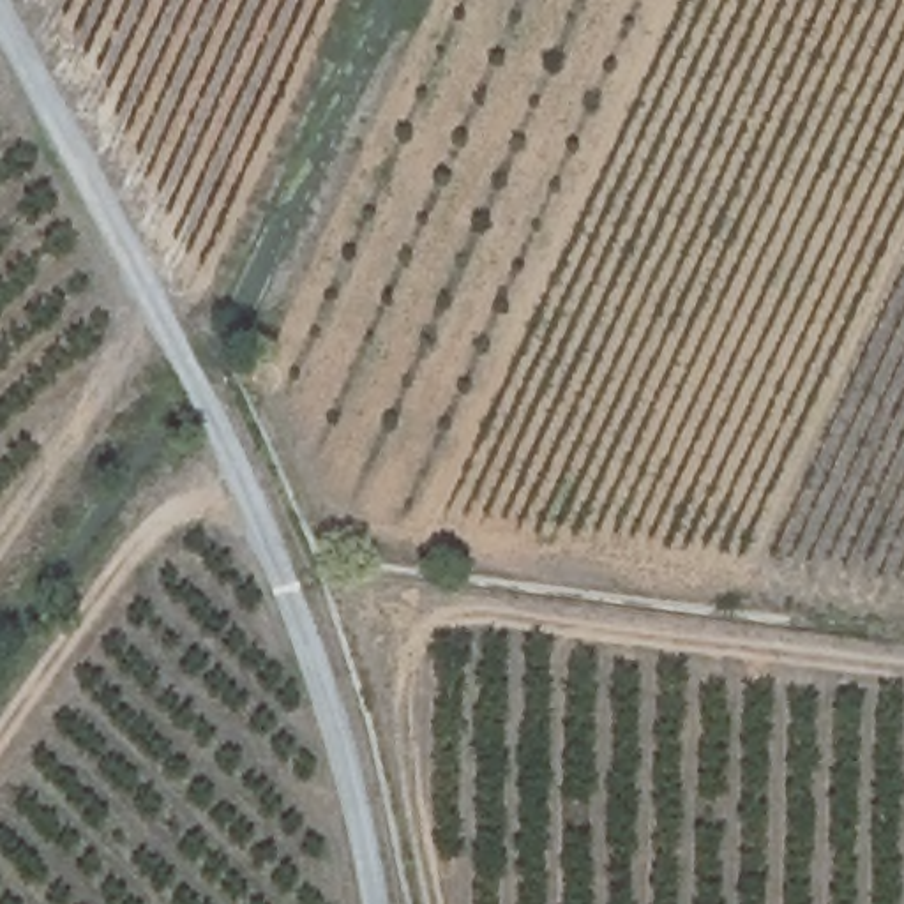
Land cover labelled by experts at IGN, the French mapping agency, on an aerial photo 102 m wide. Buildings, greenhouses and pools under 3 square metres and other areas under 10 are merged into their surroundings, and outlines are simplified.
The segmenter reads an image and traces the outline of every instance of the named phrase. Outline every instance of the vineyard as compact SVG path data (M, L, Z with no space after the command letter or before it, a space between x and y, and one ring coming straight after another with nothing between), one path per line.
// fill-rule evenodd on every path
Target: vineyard
M219 544L233 551L237 569L258 579L261 569L247 547L247 526L237 501L222 505L205 526Z
M247 215L251 194L268 159L275 155L275 141L290 124L300 88L307 85L311 64L332 25L339 0L11 0L14 14L28 32L32 49L46 64L49 85L67 102L71 124L81 131L92 159L99 162L134 240L152 258L152 275L180 321L191 304L212 297L215 272L230 254L230 244Z
M646 0L643 18L636 21L625 53L618 57L611 88L600 95L600 109L593 113L590 131L579 138L572 173L561 180L561 194L554 198L551 219L544 222L547 240L533 247L533 254L526 258L519 286L509 297L509 314L501 318L498 335L484 353L484 367L473 378L473 388L448 431L445 456L434 466L420 505L410 519L403 519L388 540L420 544L420 565L438 551L452 551L456 558L473 554L470 579L459 593L473 600L509 600L523 607L572 607L586 618L643 618L689 629L727 625L731 632L745 636L830 636L883 650L904 646L904 614L876 614L869 607L876 604L876 593L890 593L893 579L904 579L904 0Z
M208 445L194 463L184 466L184 473L187 487L208 484L219 487L219 494L233 491Z

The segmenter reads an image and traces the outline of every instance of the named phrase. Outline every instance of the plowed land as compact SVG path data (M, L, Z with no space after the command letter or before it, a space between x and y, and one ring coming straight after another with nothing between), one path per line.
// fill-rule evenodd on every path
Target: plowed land
M212 332L212 297L191 304L180 321L191 346Z
M286 371L314 321L318 300L332 283L335 265L343 261L350 226L371 194L374 170L385 159L385 145L396 138L396 124L406 117L417 95L438 32L452 18L456 0L403 0L392 18L392 28L399 35L388 42L367 92L350 113L335 155L325 170L325 184L314 194L311 219L297 233L293 251L275 265L258 307L268 311L279 304L279 297L293 300L279 328L275 353L268 360L258 360L254 371L212 371L208 378L215 396L226 403L233 427L240 431L240 445L247 448L247 459L279 523L286 512L297 512L297 519L311 519L314 526L328 516L353 516L364 519L371 533L388 540L403 519L392 509L403 501L413 470L424 459L424 448L431 445L434 420L441 417L456 388L456 378L466 367L473 335L484 328L491 300L519 251L530 215L537 212L540 194L547 191L547 177L554 173L558 155L565 152L565 138L576 127L576 117L583 113L583 95L604 71L611 39L618 35L622 14L632 0L590 0L561 71L551 78L547 95L537 106L537 124L526 131L526 148L519 152L519 162L512 166L509 184L491 212L491 230L480 237L477 254L466 265L463 286L441 318L438 343L410 388L396 431L388 434L378 473L371 477L360 470L367 445L381 424L381 413L396 399L396 385L420 339L420 328L427 325L448 265L463 247L473 208L480 208L484 201L491 173L498 170L509 148L509 138L533 92L533 81L544 71L544 53L558 42L558 28L572 0L530 0L519 21L519 42L498 67L494 85L487 88L487 102L470 127L459 162L452 166L452 180L445 184L438 208L424 226L420 244L413 247L413 261L378 332L378 357L371 360L364 385L353 392L350 406L343 410L343 420L328 424L325 413L335 403L346 367L360 346L381 286L392 272L392 261L399 258L406 233L417 222L424 194L434 180L434 166L445 159L452 145L452 131L459 127L463 106L473 99L498 28L505 25L509 7L516 0L473 0L466 7L456 46L445 57L445 78L427 106L427 117L413 127L413 138L403 145L392 187L378 205L367 240L357 247L353 275L343 286L332 321L297 381Z
M350 71L353 53L364 42L378 0L339 0L332 25L311 64L307 85L300 88L290 124L275 141L275 155L268 159L251 194L247 215L230 244L230 254L215 272L212 297L237 297L268 233L258 205L272 201L283 208L290 201L286 191L297 180L297 166L311 159L311 148L318 145L321 124L339 99L339 78Z

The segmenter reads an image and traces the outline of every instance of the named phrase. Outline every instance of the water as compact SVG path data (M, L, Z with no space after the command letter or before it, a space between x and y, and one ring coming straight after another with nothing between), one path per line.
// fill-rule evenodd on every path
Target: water
M272 201L258 205L268 233L237 297L240 304L258 307L275 265L293 251L297 233L311 219L314 194L325 184L325 170L335 155L350 113L367 92L388 42L399 35L392 28L392 18L403 0L378 0L364 42L353 53L350 71L339 78L339 99L321 124L318 145L311 148L311 159L297 166L297 180L286 191L290 201L283 208Z

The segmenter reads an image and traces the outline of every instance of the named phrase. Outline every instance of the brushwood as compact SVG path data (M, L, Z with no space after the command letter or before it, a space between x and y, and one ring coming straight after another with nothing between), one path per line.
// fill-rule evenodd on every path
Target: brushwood
M28 554L7 554L7 561L0 565L0 629L28 636L28 629L39 622L39 611L32 604L39 583L60 583L78 576L85 586L99 576L117 544L141 526L141 519L152 509L159 509L166 498L187 487L184 473L162 466L159 477L145 484L127 505L99 505L92 498L92 487L78 477L85 456L60 470L49 501L28 523Z

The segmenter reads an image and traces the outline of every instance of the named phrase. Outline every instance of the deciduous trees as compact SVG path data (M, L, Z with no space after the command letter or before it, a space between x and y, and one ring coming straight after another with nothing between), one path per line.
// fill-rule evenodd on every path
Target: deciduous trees
M420 544L388 540L371 533L364 519L353 516L328 516L314 526L311 519L297 519L297 512L286 512L279 523L304 600L321 590L318 569L325 565L332 569L332 583L364 576L381 561L420 565Z
M321 727L300 678L300 664L279 600L272 597L272 590L258 586L258 579L237 569L233 551L219 544L205 526L191 523L159 540L159 547L131 572L117 600L102 611L99 629L81 639L74 660L53 678L53 685L35 703L18 738L0 756L0 904L360 904L346 812L339 802L332 766L325 759Z
M420 244L424 226L438 208L445 184L452 180L452 166L459 162L470 127L487 102L487 88L494 85L498 67L519 42L519 21L530 0L516 0L509 7L505 25L498 28L473 99L463 106L459 127L452 131L452 145L445 159L434 166L434 180L424 194L417 222L406 233L399 258L392 261L392 272L381 286L360 346L346 367L335 403L325 413L328 424L343 420L343 410L350 406L353 392L364 385L371 360L378 357L378 332L413 261L413 247Z
M39 622L28 629L28 636L0 629L0 703L7 706L11 692L25 682L25 674L57 632L74 629L74 622L81 618L85 586L78 576L60 583L39 583L32 604L39 611Z
M406 117L396 124L396 138L385 145L385 159L374 170L371 194L350 226L343 261L335 265L332 283L318 300L314 321L286 371L297 381L332 321L343 286L353 275L357 247L367 240L378 205L392 187L403 145L413 138L413 127L427 117L427 106L445 78L445 57L456 46L466 7L473 0L456 0L452 18L438 32L417 95Z
M381 424L367 445L360 470L371 477L378 473L388 434L396 431L410 388L438 343L441 318L463 286L466 265L477 254L480 237L491 230L491 212L509 184L512 166L519 162L519 152L526 148L526 131L537 124L537 106L547 95L551 78L561 71L590 0L572 0L558 28L558 42L544 53L544 71L533 81L533 92L509 138L509 148L498 170L491 173L484 201L480 208L473 208L463 247L448 265L427 325L420 328L420 339L396 385L396 399L381 413Z
M427 586L459 593L470 579L473 554L456 558L452 551L438 551L420 565Z
M618 57L625 53L636 21L643 18L646 0L632 0L622 14L618 35L611 39L604 71L583 95L583 113L576 117L576 127L565 138L565 152L558 155L554 173L547 177L547 191L540 194L537 212L530 215L519 251L491 300L484 328L473 335L466 367L456 378L456 388L441 417L434 420L431 445L424 448L424 459L413 470L403 501L392 509L403 519L410 519L420 505L434 466L445 456L448 431L473 388L473 378L484 367L484 353L498 335L501 318L509 314L509 297L519 286L526 258L533 254L533 247L547 240L544 222L551 219L554 198L561 194L561 180L572 173L579 138L590 131L593 113L600 109L600 95L611 88Z
M67 166L49 145L49 134L18 71L11 67L0 46L0 491L39 459L35 438L18 427L14 413L28 410L46 385L57 381L60 371L99 353L109 328L106 307L127 283Z
M162 466L184 473L184 466L194 463L208 445L205 420L191 406L187 388L180 385L173 364L162 353L159 360L145 364L145 371L131 374L134 392L141 399L131 410L113 413L106 427L106 445L85 456L78 477L92 487L92 498L99 505L127 505L145 484L159 477Z
M212 371L254 371L258 360L268 360L275 353L279 328L293 300L279 297L279 304L268 311L258 307L240 304L237 297L212 297L212 332L191 346L208 378Z
M572 643L533 629L438 629L427 646L438 671L438 699L431 724L434 844L441 858L459 855L473 862L473 904L904 904L904 682L851 682L840 671L787 664L777 664L766 678L756 678L745 660L731 657L664 653L650 646L629 646L622 653L607 643Z

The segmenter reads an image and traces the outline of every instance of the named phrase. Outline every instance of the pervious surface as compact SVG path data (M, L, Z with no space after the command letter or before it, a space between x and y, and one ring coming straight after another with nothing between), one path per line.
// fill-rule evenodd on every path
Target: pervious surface
M208 378L191 346L180 321L152 275L152 258L134 240L99 162L92 159L81 131L71 124L67 102L49 85L46 64L32 49L28 32L14 14L11 0L0 0L0 46L11 67L18 71L49 134L49 145L67 166L127 283L106 307L109 328L99 353L60 371L57 381L46 385L28 410L14 413L18 427L35 438L39 459L0 491L0 565L7 561L7 554L28 554L28 523L49 501L60 470L85 456L106 445L106 427L113 413L131 410L141 399L134 392L131 374L145 371L145 364L159 360L162 353L173 364L180 385L187 388L191 406L205 420L208 445L233 491L219 494L219 487L208 484L187 487L166 498L159 509L152 509L141 519L141 526L117 544L99 576L85 586L81 618L74 622L74 629L57 632L25 674L25 682L11 692L7 706L0 703L0 756L18 738L35 703L53 685L53 678L74 660L81 639L99 629L102 611L117 600L131 572L159 547L159 540L191 523L205 526L222 505L237 501L247 526L247 547L261 569L258 579L258 586L272 590L272 597L279 600L300 664L300 678L321 727L325 759L332 766L339 802L346 812L360 904L473 904L473 862L459 855L441 858L434 844L431 724L438 699L438 671L427 646L438 629L533 629L572 643L607 643L622 653L629 646L650 646L664 653L731 657L745 660L756 678L766 678L777 664L787 664L840 671L851 682L904 682L904 646L883 650L830 636L745 636L731 632L727 625L689 629L643 618L586 618L572 607L523 607L509 600L473 600L459 593L427 586L420 565L381 561L364 576L332 583L332 569L325 565L318 569L321 590L304 600L279 523L247 459L247 448L240 445L240 431L233 427L226 403L215 396Z
M876 614L904 614L904 579L893 579L890 593L876 593L876 604L869 607Z

